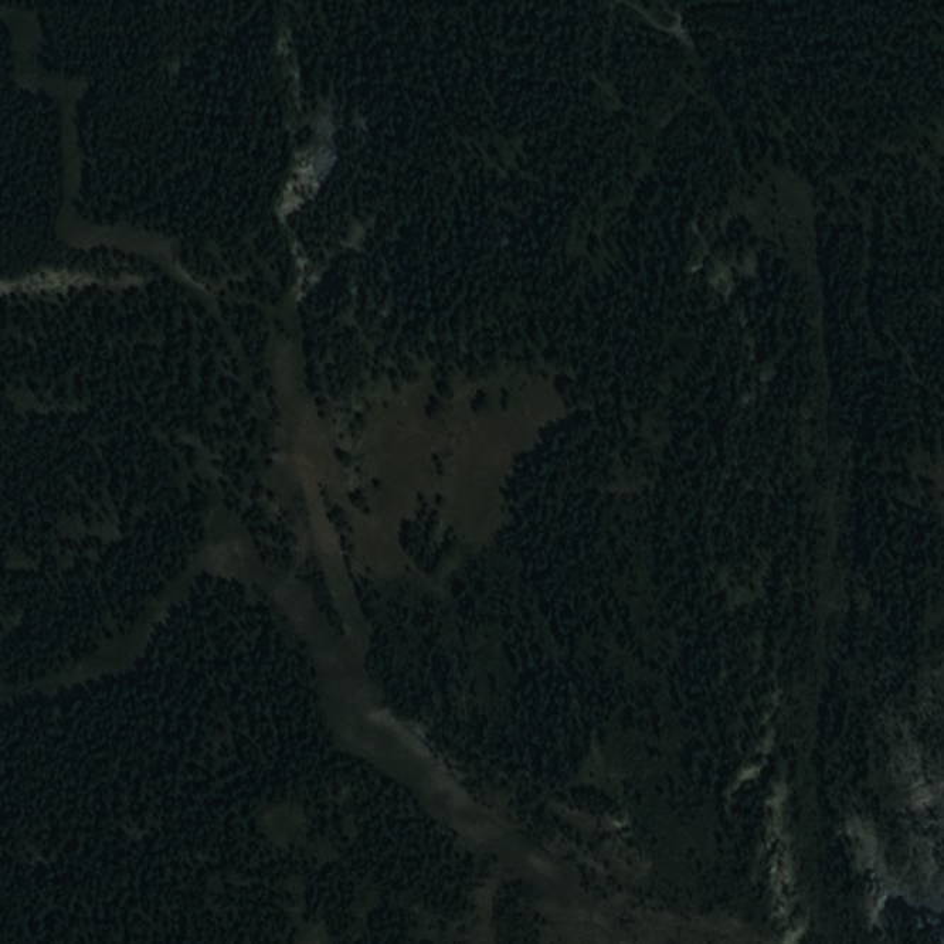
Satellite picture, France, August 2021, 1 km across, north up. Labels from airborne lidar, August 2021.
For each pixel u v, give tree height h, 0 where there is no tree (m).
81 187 0
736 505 22
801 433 11
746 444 17
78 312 19
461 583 0
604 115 9
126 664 0
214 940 15
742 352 19
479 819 0
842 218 24
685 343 0
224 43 13
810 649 7
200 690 16
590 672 10
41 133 15
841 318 16
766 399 14
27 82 0
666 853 0
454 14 25
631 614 11
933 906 0
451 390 21
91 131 12
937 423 18
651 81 21
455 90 14
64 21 12
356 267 17
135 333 19
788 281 21
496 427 0
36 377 18
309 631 0
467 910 7
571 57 20
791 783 10
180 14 23
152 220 13
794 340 23
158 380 15
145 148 18
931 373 20
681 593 12
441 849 8
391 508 0
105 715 19
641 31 12
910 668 13
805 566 13
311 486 0
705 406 10
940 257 22
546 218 23
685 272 16
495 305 16
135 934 11
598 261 23
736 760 8
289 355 0
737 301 12
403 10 20
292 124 8
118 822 15
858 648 8
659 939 0
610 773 0
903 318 20
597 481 20
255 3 22
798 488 11
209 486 11
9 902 18
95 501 15
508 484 0
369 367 14
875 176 8
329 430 0
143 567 20
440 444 0
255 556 0
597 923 0
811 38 24
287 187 8
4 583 20
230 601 11
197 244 14
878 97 17
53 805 20
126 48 20
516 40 15
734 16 11
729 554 14
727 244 11
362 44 11
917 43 21
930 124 27
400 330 15
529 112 19
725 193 10
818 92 23
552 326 20
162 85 13
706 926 0
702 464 18
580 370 22
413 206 23
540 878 0
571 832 8
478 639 0
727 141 23
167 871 13
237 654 13
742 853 7
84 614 16
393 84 11
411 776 0
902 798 0
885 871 0
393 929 9
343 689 0
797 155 14
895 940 7
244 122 18
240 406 11
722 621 7
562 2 28
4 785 20
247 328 14
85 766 20
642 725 7
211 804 10
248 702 10
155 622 0
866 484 14
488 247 17
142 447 16
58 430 19
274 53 11
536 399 0
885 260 15
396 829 12
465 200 12
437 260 21
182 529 14
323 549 0
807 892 0
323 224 17
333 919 6
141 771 14
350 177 13
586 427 20
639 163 22
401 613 12
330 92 15
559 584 17
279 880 12
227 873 12
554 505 20
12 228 9
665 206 8
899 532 22
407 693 10
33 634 20
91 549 19
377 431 0
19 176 16
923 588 20
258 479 7
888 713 8
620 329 26
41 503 17
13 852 18
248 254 16
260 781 10
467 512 0
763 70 23
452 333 18
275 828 0
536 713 9
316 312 17
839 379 9
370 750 0
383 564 0
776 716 6
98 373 14
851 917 9
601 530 10
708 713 13
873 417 14
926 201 22
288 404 0
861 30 17
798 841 0
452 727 10
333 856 0
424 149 21
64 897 17
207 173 20
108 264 11
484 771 8
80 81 16
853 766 8
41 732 16
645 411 21
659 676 11
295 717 7
